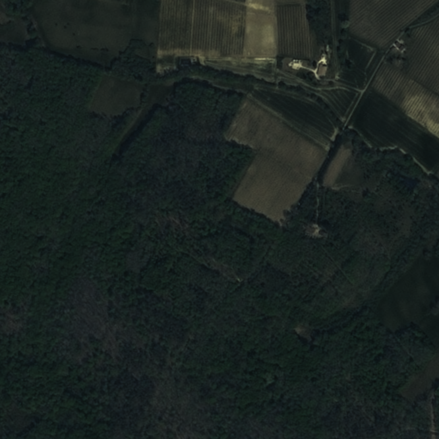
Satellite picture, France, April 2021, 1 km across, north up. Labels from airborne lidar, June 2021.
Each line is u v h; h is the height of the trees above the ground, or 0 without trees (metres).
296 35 0
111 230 21
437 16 0
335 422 22
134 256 17
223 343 26
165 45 0
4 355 20
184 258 16
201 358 19
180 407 13
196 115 23
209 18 0
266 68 0
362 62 0
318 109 0
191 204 23
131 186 26
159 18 0
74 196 24
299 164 0
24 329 17
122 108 0
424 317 0
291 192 0
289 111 0
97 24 0
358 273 19
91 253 22
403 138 0
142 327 21
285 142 0
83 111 20
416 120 0
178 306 15
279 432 13
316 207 13
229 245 28
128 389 23
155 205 15
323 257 12
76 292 21
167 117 19
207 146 17
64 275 22
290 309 24
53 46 0
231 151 20
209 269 8
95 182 25
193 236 6
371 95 0
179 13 0
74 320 22
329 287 18
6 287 23
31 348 20
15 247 21
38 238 19
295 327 22
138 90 0
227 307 21
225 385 27
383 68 0
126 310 23
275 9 0
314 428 21
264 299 19
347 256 13
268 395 24
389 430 20
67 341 27
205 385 22
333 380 17
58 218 23
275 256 13
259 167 0
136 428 18
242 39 0
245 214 15
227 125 20
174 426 14
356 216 7
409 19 0
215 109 13
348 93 0
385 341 23
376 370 20
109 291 16
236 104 17
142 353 14
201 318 14
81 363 19
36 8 0
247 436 18
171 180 20
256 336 23
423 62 0
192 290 19
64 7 0
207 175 19
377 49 0
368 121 0
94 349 9
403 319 0
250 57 0
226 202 13
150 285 18
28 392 24
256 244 25
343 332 26
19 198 25
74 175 26
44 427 19
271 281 14
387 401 20
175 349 13
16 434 20
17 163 21
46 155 21
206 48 0
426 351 24
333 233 12
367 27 0
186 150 16
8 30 0
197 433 20
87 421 26
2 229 22
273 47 0
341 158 0
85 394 10
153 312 17
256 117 0
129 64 13
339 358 17
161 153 20
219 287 19
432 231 15
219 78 21
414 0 0
